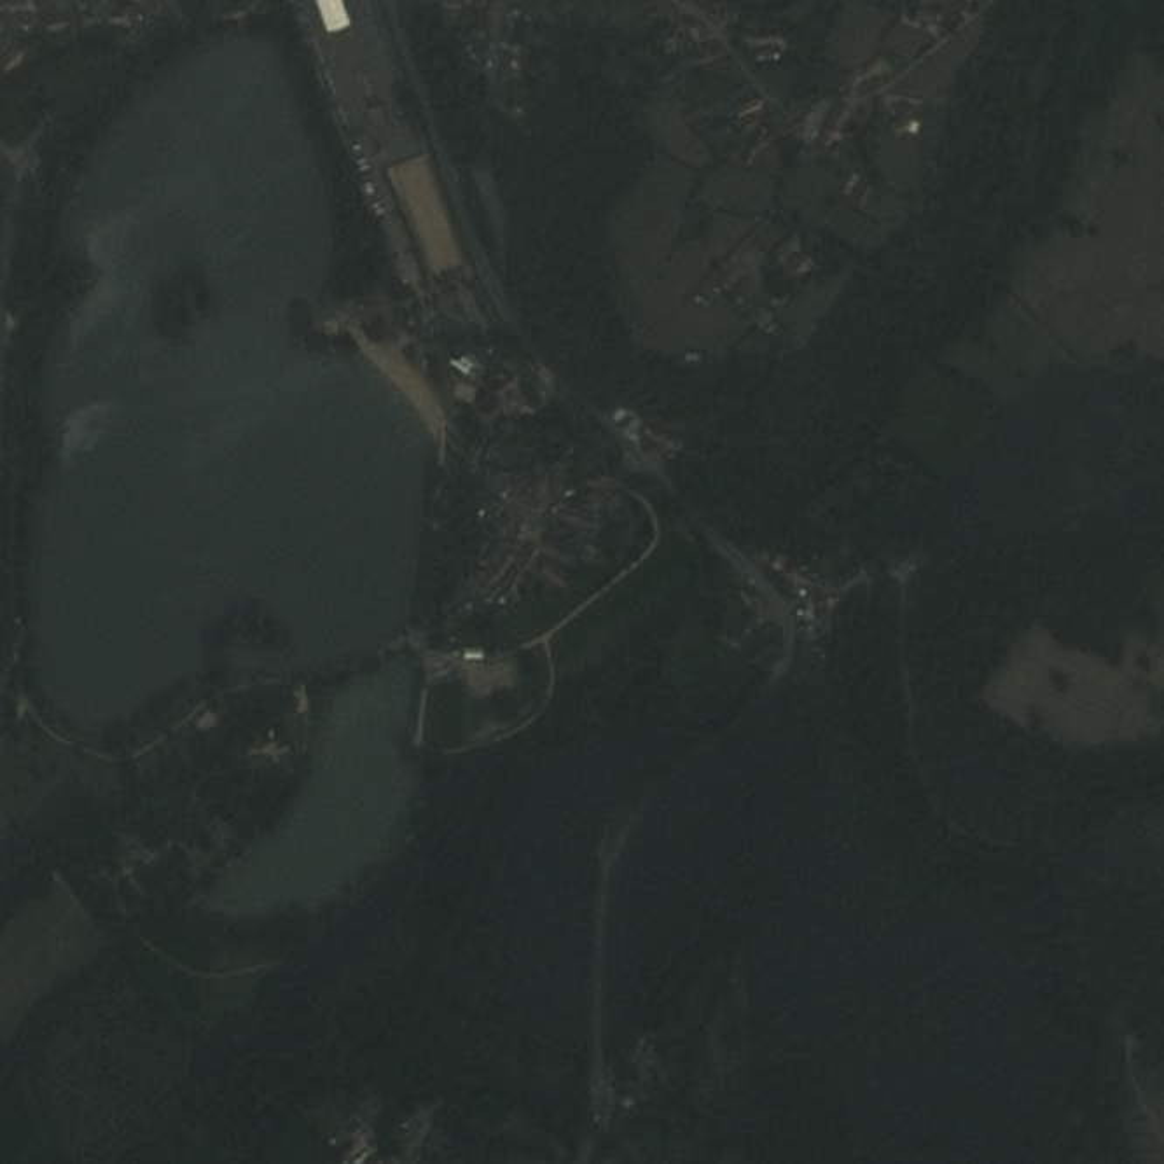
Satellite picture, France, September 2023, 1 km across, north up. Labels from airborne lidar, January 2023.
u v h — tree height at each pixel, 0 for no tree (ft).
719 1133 38
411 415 0
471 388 0
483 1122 0
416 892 89
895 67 0
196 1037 0
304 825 0
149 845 53
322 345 36
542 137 83
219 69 0
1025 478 102
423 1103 21
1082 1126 82
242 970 0
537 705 0
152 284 0
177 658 0
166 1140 61
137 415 0
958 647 50
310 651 0
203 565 0
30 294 53
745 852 66
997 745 48
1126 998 92
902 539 54
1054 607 38
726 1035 0
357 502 0
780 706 58
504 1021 26
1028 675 0
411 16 72
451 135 76
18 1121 0
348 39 0
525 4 0
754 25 0
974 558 55
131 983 51
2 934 0
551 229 73
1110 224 0
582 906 104
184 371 0
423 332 36
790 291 43
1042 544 44
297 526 0
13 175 0
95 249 0
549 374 0
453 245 0
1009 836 22
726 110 0
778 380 64
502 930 84
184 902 48
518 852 86
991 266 62
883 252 31
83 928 0
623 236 0
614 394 19
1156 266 0
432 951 94
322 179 35
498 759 54
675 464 21
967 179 50
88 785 0
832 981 122
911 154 0
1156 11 94
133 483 0
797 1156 62
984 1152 107
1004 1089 106
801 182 0
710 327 0
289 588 0
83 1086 94
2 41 0
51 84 0
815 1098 66
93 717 0
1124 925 62
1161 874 91
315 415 0
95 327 0
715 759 20
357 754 0
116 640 0
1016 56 26
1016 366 0
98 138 58
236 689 0
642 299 0
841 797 101
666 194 0
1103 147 0
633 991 74
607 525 51
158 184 0
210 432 0
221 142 0
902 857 99
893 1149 111
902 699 46
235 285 0
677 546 0
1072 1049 92
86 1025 81
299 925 30
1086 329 0
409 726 0
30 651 64
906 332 29
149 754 0
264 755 0
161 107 0
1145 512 73
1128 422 81
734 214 18
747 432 56
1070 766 44
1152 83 0
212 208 0
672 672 0
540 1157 37
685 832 61
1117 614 58
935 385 0
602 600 0
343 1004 106
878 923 125
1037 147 0
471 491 19
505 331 26
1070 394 89
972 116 59
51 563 0
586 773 85
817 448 70
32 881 60
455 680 0
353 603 0
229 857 32
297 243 0
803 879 97
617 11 0
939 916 0
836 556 0
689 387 31
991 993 139
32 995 0
